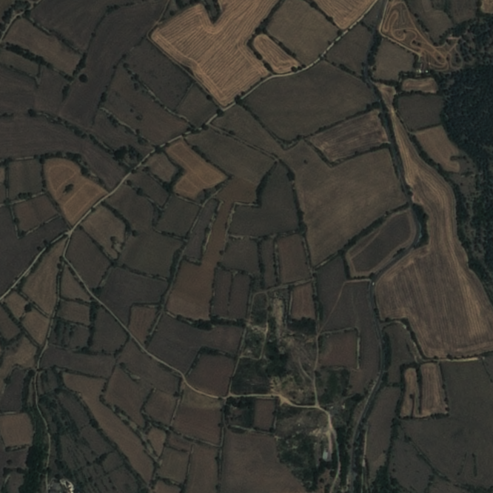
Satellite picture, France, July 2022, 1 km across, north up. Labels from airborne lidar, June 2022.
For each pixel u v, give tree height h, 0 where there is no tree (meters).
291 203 0
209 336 0
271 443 0
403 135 0
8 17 14
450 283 0
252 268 0
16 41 0
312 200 0
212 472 0
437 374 0
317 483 5
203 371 0
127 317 0
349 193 0
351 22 0
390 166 0
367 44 0
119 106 0
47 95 0
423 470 0
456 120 12
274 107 0
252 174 0
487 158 12
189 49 0
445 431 0
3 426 0
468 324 0
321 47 0
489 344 0
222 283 0
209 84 0
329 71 0
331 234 0
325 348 0
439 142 0
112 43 0
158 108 0
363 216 0
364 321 0
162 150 10
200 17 0
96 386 0
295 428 0
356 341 0
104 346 0
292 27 0
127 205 0
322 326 0
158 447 0
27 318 0
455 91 11
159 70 0
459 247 0
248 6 0
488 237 10
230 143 0
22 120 0
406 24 0
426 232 7
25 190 0
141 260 0
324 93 0
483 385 0
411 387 0
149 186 0
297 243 0
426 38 0
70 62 0
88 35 0
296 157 0
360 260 0
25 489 10
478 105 12
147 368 0
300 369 0
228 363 0
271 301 0
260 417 0
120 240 0
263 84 0
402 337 0
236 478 0
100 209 0
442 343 0
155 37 0
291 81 0
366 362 0
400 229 0
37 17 0
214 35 0
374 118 0
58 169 0
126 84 0
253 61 0
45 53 0
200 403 0
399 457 0
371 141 0
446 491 0
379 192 0
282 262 0
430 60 0
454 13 0
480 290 0
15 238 0
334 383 0
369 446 0
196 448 0
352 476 0
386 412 0
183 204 0
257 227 0
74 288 0
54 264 0
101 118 0
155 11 0
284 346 0
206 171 0
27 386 6
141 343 0
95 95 0
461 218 11
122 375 0
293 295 0
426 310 0
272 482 0
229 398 8
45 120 0
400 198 0
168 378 0
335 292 0
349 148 0
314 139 0
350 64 0
